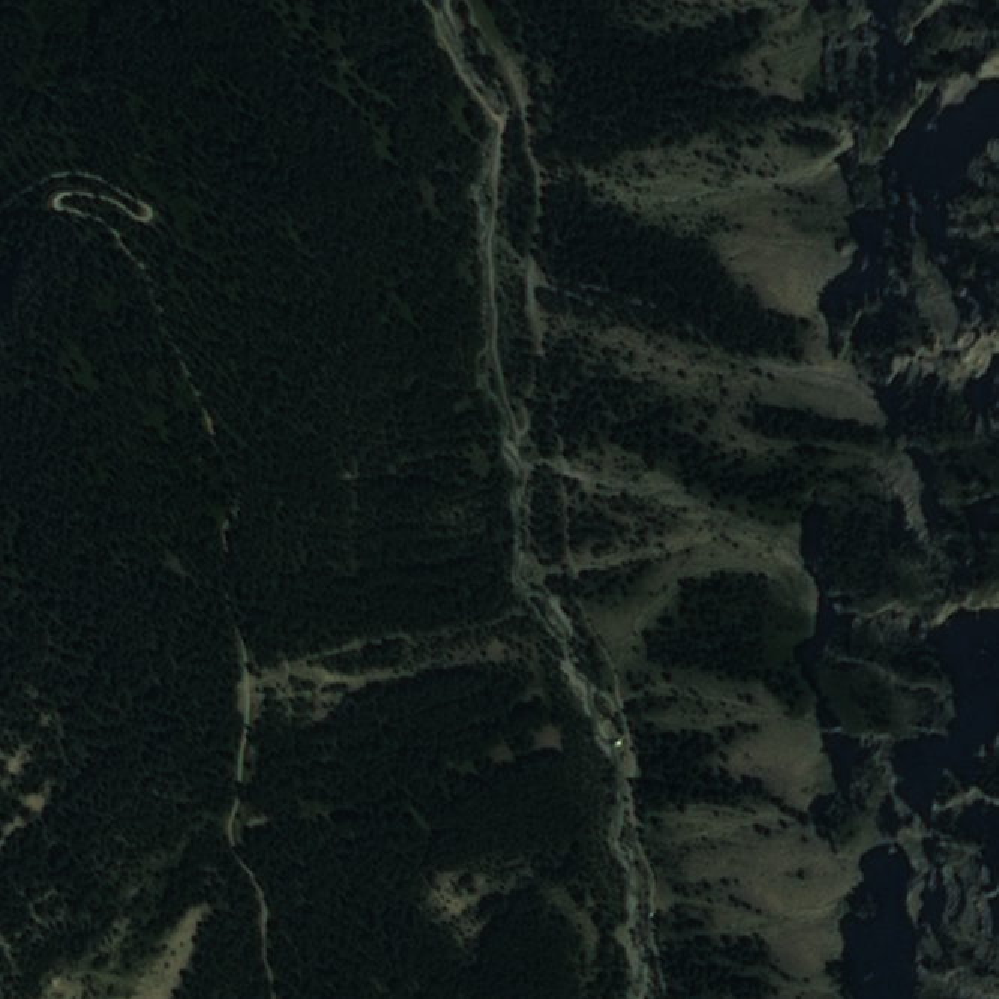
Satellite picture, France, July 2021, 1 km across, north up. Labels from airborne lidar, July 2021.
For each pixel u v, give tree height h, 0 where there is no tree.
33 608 22
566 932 19
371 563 21
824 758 0
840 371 0
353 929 21
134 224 11
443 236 25
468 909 8
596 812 6
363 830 25
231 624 17
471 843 27
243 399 23
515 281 7
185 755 20
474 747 29
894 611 0
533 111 13
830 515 8
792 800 0
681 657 10
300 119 17
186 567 20
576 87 11
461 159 20
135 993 0
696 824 0
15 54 23
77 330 23
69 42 14
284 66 21
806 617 0
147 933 6
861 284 0
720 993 8
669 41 12
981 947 0
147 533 16
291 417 15
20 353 22
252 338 24
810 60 0
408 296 26
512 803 26
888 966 0
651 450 15
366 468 21
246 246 26
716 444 11
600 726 0
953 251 10
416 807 19
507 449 0
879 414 0
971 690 0
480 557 9
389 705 24
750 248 0
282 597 15
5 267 19
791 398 0
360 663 9
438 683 24
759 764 0
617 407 15
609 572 6
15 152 27
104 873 14
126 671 21
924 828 0
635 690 10
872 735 0
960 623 0
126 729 18
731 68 0
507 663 9
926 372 0
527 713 29
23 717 11
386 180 28
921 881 0
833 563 7
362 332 23
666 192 0
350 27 20
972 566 6
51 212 10
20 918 11
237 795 13
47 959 7
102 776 19
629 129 15
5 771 17
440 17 0
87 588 19
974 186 9
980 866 0
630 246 21
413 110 22
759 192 0
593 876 6
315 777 26
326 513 19
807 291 0
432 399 23
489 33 0
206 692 18
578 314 12
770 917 0
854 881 0
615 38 11
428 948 26
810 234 0
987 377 0
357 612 23
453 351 25
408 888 23
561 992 24
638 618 0
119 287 21
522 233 12
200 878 20
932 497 0
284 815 20
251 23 16
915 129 0
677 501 0
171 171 16
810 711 0
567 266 16
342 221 22
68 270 14
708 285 19
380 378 19
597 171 8
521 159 15
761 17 18
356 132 30
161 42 25
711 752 14
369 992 19
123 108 22
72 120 19
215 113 26
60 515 20
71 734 18
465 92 11
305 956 21
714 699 0
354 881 22
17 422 22
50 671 15
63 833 24
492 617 12
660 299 21
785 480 15
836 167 0
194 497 23
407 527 19
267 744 14
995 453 9
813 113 14
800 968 0
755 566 0
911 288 0
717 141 7
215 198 20
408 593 25
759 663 7
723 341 18
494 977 24
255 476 22
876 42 0
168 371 23
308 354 19
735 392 0
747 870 0
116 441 21
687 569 0
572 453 9
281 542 9
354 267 16
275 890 24
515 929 21
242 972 18
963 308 0
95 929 15
